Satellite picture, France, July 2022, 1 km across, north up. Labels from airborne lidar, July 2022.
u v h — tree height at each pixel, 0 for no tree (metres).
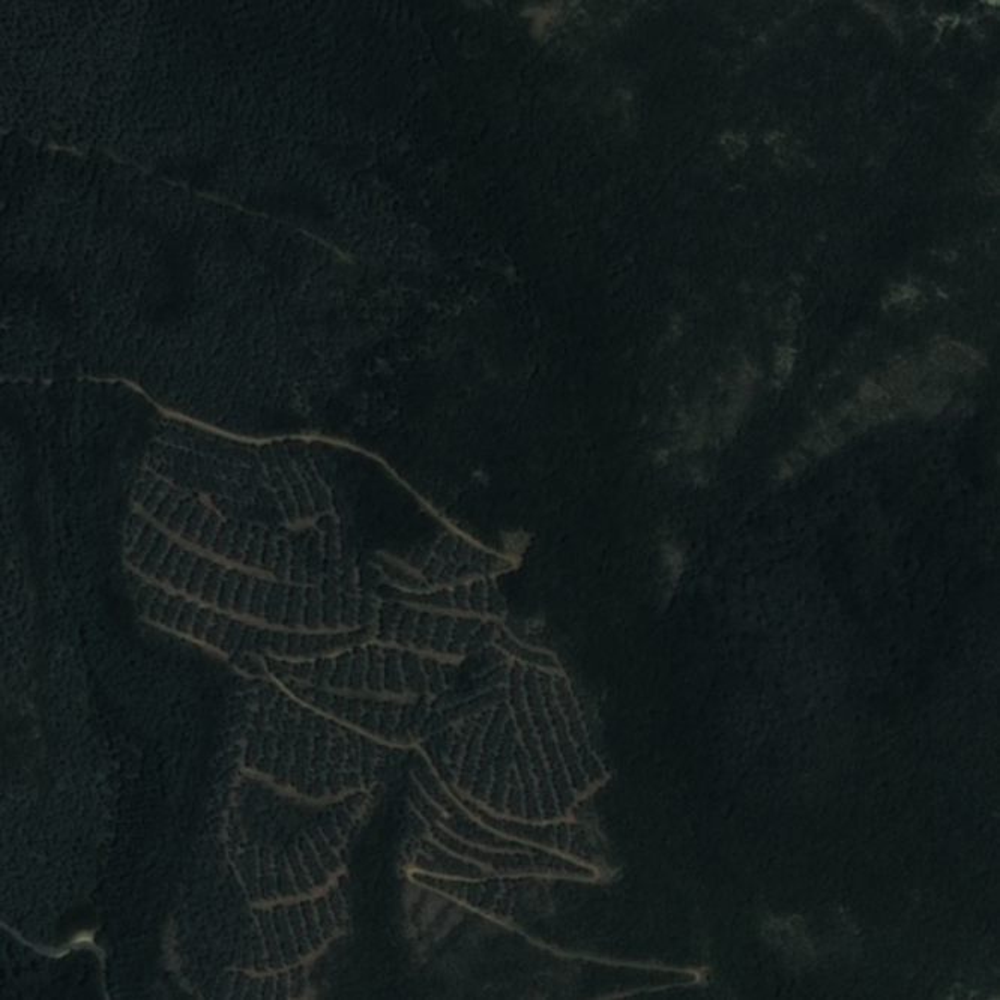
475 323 11
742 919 18
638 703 20
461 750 15
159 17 21
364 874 15
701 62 8
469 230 18
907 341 6
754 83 6
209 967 12
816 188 11
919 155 7
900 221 10
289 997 13
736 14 7
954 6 10
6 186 18
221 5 24
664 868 7
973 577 17
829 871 18
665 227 10
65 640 25
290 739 16
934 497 11
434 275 14
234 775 15
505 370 9
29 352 22
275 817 13
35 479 19
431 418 11
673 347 6
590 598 19
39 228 25
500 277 17
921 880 16
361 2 25
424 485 12
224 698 9
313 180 19
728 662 16
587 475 20
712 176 6
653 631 20
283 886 16
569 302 15
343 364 12
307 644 14
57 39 24
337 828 17
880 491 8
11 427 20
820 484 14
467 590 14
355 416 15
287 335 16
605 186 15
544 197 13
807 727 6
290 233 13
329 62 24
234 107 23
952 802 12
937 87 7
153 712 25
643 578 13
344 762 15
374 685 16
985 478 14
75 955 10
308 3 26
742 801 13
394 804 11
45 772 7
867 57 8
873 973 13
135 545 10
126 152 17
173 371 14
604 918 7
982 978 6
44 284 15
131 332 16
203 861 11
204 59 21
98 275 15
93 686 11
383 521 22
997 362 9
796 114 7
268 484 15
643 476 13
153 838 11
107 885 19
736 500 12
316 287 12
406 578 16
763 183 6
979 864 11
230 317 15
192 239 17
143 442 7
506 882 11
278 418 17
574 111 9
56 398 18
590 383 21
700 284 10
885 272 10
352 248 10
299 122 27
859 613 15
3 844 21
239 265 13
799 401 10
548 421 16
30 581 16
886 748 14
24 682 7
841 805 10
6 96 24
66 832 27
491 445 10
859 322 11
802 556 11
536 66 9
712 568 10
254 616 17
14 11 21
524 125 11
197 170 12
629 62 8
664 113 10
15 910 21
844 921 6
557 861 11
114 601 15
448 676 19
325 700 15
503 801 15
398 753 14
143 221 16
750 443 10
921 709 16
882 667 10
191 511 14
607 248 13
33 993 20
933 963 8
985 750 7
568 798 18
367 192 23
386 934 6
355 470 15
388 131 19
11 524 18
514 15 8
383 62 22
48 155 15
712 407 6
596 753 15
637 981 8
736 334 7
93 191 11
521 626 7
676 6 7
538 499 16
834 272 8
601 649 19
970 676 6
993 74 8
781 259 9
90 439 20
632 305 13
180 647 14
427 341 15
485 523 14
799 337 10
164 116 25
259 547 16
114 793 19
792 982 12
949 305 7
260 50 24
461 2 12
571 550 19
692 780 22
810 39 7
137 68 23
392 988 8
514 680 14
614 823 10
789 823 13
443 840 14
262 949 12
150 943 8
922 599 15
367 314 13
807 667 6
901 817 13
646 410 6
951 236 7
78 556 25
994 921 13
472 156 19
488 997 7
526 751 14
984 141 5
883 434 7
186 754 22
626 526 19
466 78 12
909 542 16
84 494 28
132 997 20
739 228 8
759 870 14
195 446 16
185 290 19
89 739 24
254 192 16
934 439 11
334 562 17
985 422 9
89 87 18
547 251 18
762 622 12
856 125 9
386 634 18
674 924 8
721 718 11
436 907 0
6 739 7
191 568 16
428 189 16
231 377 17
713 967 13
